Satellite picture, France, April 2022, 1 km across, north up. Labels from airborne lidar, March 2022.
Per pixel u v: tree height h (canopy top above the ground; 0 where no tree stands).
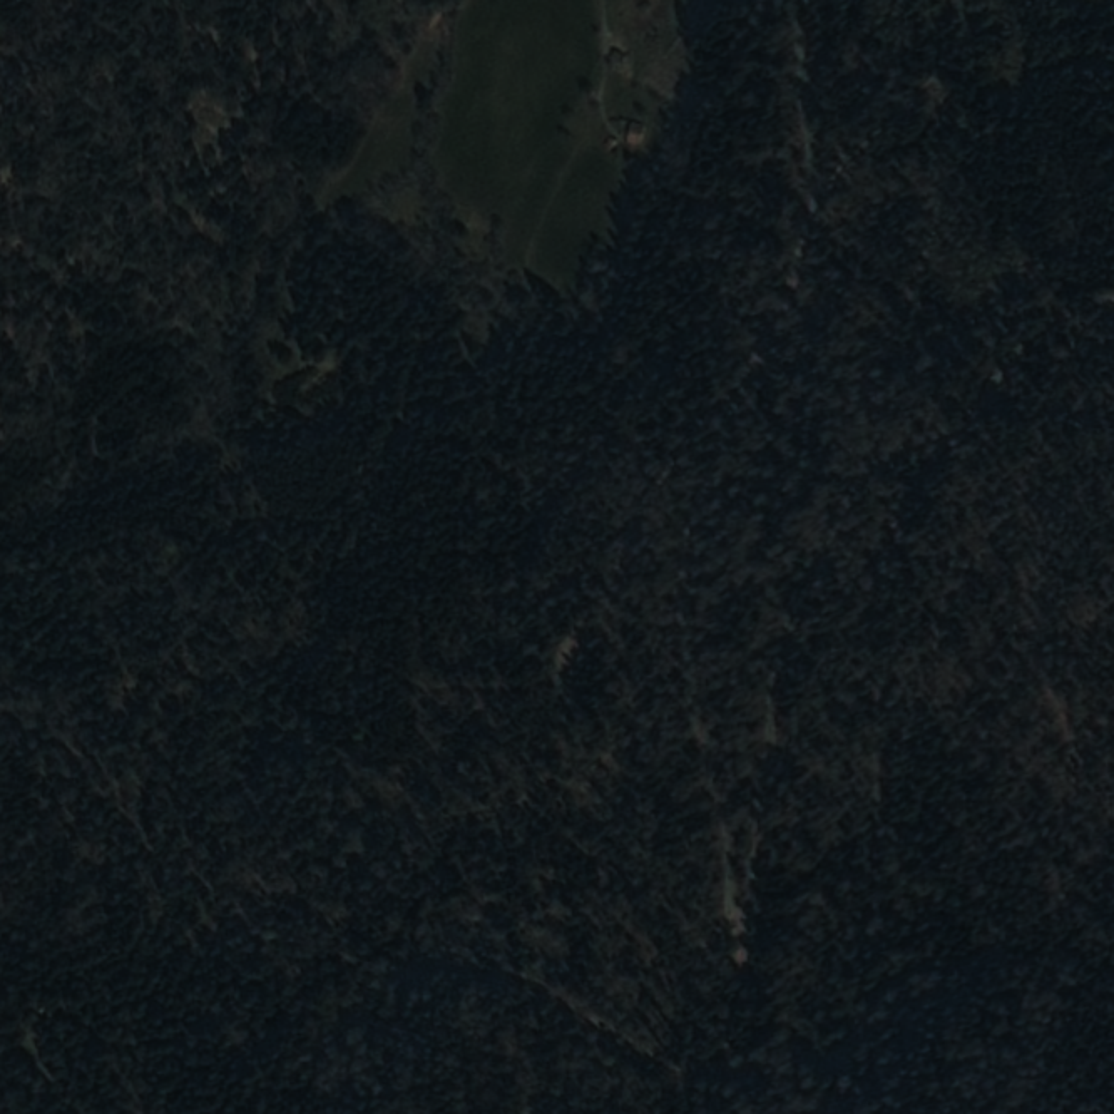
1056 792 34
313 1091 25
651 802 36
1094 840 12
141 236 23
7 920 30
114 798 33
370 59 31
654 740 37
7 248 33
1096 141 29
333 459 30
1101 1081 27
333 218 12
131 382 21
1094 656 8
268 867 18
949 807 23
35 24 16
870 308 36
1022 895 26
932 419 34
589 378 33
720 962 6
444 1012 14
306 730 35
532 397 31
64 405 23
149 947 25
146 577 38
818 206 15
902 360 9
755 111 33
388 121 0
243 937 29
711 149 33
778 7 23
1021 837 29
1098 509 28
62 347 28
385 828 32
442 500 32
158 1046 28
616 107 0
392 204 15
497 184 0
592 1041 31
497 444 19
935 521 33
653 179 22
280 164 26
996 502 35
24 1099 28
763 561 35
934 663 28
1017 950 30
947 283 9
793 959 31
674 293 33
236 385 22
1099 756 10
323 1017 31
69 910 25
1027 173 26
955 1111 8
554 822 17
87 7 10
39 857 36
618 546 40
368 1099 31
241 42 18
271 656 16
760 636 34
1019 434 34
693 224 25
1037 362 20
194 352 28
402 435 7
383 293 23
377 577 28
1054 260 20
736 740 37
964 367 36
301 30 38
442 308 32
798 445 26
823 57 9
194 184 21
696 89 0
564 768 10
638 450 35
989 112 17
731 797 28
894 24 20
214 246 27
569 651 0
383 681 24
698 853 33
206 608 33
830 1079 33
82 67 25
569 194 0
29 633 23
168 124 40
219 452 13
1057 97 24
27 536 18
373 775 36
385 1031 36
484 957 11
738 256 42
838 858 13
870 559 32
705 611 33
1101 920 25
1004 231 20
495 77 0
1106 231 23
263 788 26
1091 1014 20
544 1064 37
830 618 33
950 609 8
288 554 40
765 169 8
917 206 7
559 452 14
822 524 36
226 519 22
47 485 8
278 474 31
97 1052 23
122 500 23
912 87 35
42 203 34
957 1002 22
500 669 13
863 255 11
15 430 31
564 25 0
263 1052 23
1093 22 20
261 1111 27
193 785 11
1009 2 17
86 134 33
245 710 25
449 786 40
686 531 34
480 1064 19
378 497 12
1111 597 28
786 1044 29
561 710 10
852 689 31
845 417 35
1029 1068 25
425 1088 23
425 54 0
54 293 25
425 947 19
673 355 9
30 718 35
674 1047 10
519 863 17
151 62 32
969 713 30
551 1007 32
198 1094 10
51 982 10
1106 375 32
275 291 21
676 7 0
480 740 13
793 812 38
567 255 0
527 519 22
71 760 34
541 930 16
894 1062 8
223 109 6
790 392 32
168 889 22
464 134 0
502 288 13
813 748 33
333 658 23
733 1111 41
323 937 27
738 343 38
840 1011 31
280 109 30
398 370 22
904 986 20
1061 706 28
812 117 15
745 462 34
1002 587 10
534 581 35
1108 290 25
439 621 13
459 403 19
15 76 27
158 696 34
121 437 23
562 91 0
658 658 6
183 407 21
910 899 8
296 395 8
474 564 20
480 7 0
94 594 34
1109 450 34
